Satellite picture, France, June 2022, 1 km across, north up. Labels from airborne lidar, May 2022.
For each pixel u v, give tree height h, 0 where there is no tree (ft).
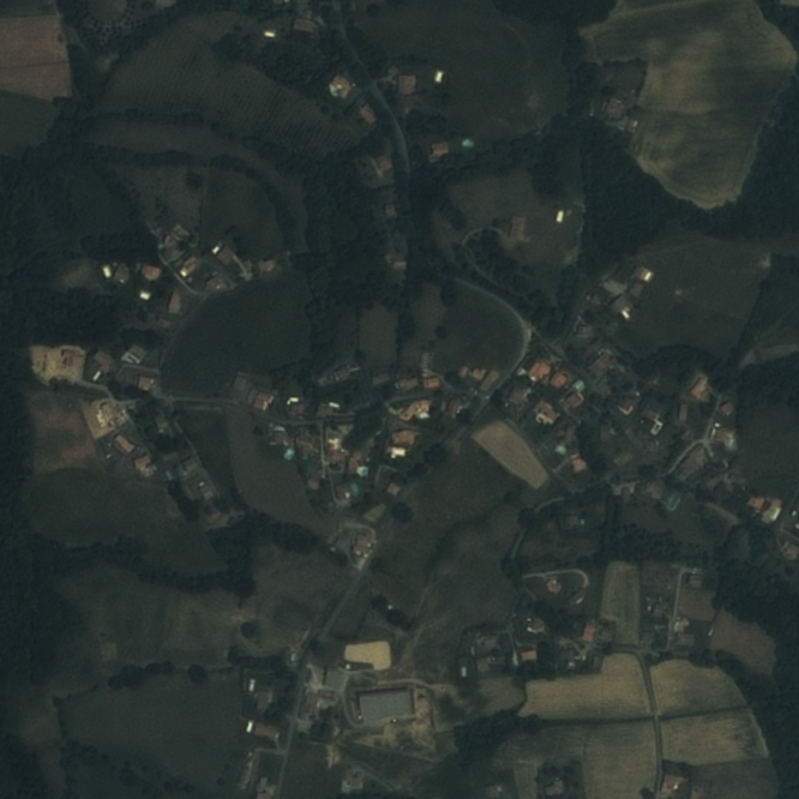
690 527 0
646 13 0
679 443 20
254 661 22
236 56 32
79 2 23
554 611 22
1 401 42
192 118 44
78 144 48
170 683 0
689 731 0
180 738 0
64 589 0
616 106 0
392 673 0
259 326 0
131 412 32
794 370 83
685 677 0
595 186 58
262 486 0
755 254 0
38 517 0
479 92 0
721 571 64
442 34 0
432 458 57
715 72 0
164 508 0
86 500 0
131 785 62
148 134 0
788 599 73
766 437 0
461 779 0
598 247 32
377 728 0
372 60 22
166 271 28
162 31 50
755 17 0
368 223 46
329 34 36
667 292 0
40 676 73
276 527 32
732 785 0
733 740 0
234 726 0
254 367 0
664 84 0
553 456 0
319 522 0
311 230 55
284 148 26
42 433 0
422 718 0
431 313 0
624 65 27
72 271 0
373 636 0
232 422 0
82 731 0
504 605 0
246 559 62
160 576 61
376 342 0
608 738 0
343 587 0
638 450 0
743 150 0
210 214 0
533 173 25
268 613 0
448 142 33
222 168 34
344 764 0
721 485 26
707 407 56
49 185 54
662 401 52
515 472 0
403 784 0
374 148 68
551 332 30
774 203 81
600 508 0
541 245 0
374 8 50
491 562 0
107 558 56
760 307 30
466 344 0
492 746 62
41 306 62
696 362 63
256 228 0
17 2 0
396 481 22
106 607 0
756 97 0
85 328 58
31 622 76
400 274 0
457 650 0
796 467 0
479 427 0
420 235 54
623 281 0
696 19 0
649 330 0
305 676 0
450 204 23
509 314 0
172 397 0
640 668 0
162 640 0
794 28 51
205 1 34
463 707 0
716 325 0
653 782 0
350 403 40
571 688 0
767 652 0
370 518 0
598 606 0
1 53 0
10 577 87
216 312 0
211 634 0
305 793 0
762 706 20
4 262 74
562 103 0
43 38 0
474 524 0
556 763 0
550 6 89
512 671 38
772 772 0
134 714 0
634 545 100
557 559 0
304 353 0
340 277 23
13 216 71
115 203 0
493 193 0
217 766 0
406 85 0
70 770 79
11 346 56
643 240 69
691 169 0
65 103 61
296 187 0
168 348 0
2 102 0
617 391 59
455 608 0
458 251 59
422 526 0
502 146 63
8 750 74
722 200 0
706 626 0
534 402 41
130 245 22
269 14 26
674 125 0
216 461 0
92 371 0
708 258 0
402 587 0
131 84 0
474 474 0
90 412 0
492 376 0
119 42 29
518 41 0
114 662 0
